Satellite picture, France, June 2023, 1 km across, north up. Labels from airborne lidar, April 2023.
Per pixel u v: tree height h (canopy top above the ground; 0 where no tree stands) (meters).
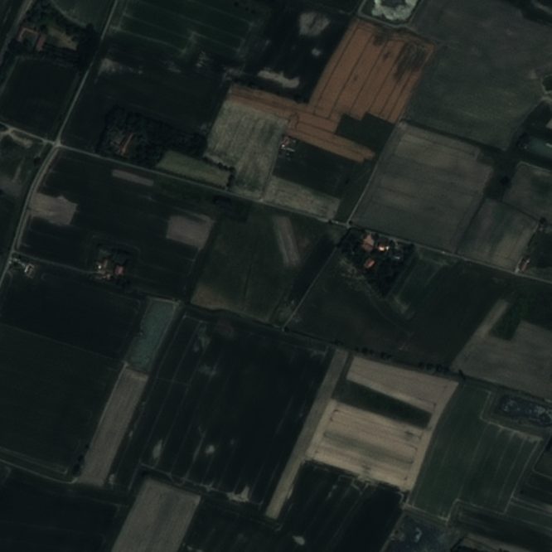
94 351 0
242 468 0
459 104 0
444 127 0
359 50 0
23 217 0
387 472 0
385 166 0
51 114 0
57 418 0
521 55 0
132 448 0
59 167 0
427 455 0
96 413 0
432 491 0
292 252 0
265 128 0
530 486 0
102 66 0
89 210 0
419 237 0
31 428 0
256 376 0
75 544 0
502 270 0
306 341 0
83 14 0
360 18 0
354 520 0
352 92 0
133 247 0
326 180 0
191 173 0
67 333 0
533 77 0
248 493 0
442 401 0
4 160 0
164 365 0
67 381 0
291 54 0
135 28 0
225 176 0
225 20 0
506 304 0
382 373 0
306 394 0
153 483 0
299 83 0
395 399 0
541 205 0
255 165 0
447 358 0
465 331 0
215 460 0
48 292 0
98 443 0
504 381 0
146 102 0
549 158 0
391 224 0
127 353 0
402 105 0
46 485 0
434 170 0
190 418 0
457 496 0
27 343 0
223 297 0
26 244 0
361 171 0
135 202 0
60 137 0
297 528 0
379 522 0
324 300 0
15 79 0
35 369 0
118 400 0
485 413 0
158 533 0
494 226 0
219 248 0
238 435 0
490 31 0
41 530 0
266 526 0
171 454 0
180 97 0
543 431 0
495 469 0
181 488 0
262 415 0
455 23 0
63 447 0
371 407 0
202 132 0
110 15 0
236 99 0
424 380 0
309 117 0
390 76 0
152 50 0
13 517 0
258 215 0
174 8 0
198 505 0
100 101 0
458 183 0
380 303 0
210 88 0
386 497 0
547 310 0
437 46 0
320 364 0
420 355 0
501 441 0
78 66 18
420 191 0
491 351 0
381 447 0
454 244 0
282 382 0
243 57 0
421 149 0
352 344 0
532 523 0
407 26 0
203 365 0
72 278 0
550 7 0
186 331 0
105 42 0
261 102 0
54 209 0
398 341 0
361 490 0
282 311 0
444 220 0
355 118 0
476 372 0
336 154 0
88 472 0
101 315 0
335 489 0
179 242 0
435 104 0
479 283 0
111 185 0
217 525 0
